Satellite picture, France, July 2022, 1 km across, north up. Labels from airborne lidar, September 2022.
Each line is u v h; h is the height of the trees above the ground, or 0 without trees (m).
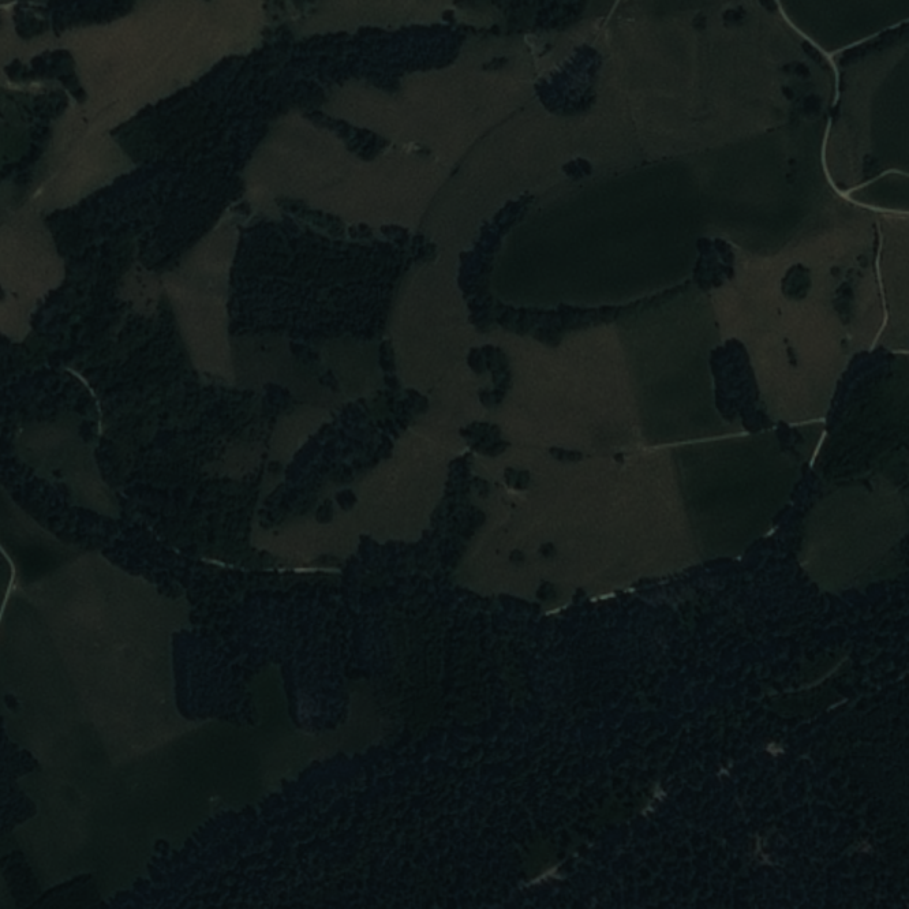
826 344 0
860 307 0
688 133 0
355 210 0
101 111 0
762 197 0
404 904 16
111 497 0
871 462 6
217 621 10
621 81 0
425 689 6
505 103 0
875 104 0
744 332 0
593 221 0
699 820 29
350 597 21
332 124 19
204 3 0
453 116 0
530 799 18
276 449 0
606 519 0
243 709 24
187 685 29
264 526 8
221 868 27
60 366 21
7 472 20
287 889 14
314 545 0
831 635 7
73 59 13
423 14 0
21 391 28
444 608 33
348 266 10
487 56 0
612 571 0
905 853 12
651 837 27
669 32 0
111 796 0
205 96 18
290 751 0
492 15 0
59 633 0
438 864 22
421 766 29
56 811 0
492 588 0
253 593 8
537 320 20
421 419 0
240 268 9
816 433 0
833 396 0
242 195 7
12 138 0
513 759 34
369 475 0
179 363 6
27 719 0
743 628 6
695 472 0
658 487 0
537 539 0
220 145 18
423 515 0
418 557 23
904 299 0
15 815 15
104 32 0
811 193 0
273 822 22
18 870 8
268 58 19
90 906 8
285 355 0
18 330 0
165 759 0
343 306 7
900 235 0
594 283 0
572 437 0
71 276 9
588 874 23
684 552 0
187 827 0
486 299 17
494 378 8
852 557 0
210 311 0
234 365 0
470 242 0
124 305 7
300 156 0
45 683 0
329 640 22
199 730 0
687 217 0
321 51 19
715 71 0
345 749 0
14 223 0
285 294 11
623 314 7
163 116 10
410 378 0
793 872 24
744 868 21
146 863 0
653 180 0
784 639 29
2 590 0
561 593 0
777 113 0
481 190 0
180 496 21
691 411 0
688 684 17
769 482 0
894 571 0
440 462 0
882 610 21
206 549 8
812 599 31
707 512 0
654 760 25
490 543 0
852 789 15
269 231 9
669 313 0
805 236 0
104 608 0
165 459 6
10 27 0
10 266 0
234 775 0
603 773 25
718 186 0
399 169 0
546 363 0
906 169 0
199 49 0
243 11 0
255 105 27
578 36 0
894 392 0
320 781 30
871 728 15
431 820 17
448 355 0
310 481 26
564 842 27
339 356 0
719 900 24
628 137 0
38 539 0
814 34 0
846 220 0
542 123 0
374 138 17
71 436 0
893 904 23
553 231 0
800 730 17
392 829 17
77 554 0
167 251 7
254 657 32
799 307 0
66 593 0
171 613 0
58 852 0
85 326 9
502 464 0
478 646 17
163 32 0
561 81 20
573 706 30
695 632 27
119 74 0
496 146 0
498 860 19
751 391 26
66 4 20
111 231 26
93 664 0
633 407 0
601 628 24
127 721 0
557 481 0
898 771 12
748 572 22
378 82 18
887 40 10
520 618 24
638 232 0
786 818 15
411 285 0
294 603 25
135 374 6
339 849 21
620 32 0
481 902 15
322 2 0
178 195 12
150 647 0
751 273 0
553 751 28
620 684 25
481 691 17
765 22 0
